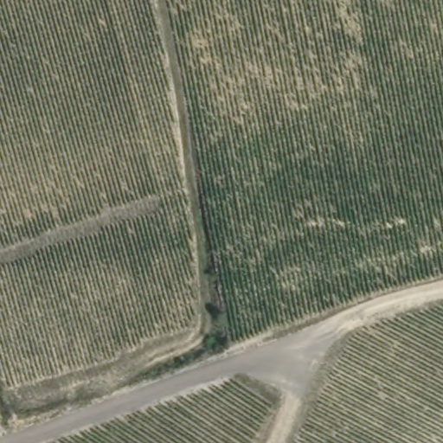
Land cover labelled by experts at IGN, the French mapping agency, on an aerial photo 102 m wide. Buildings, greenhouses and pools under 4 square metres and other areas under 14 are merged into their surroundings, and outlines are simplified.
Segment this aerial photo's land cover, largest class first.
<instances>
[{"label":"vineyard","instance_id":"1","mask_svg":"<svg viewBox=\"0 0 443 443\"><path fill-rule=\"evenodd\" d=\"M443 280V0H0V436L3 434V427L9 426L10 415L29 417L54 408H64L66 405L85 407L93 398L111 395L118 389L128 388L147 379H156L171 370L201 360L202 356L221 353L230 344L256 336L265 331L266 327L273 334L265 337V341H273L286 337L287 334H296L311 325L320 324L351 306L362 305L377 296L398 291L400 287L421 286ZM301 405L286 443H443V299L400 311L393 318H379L376 324L360 325L334 341L322 358V363H318L315 376L308 382L305 395L299 400ZM280 407L279 389L266 386L263 382L244 374H235L230 381L208 391L180 396L177 401H168L164 405L147 408L145 412L128 415L126 421L118 419L107 422L99 427H92L90 431H83L78 436L61 438L55 443H266L277 421Z\"/></svg>","mask_w":443,"mask_h":443},{"label":"pervious surface","instance_id":"2","mask_svg":"<svg viewBox=\"0 0 443 443\"><path fill-rule=\"evenodd\" d=\"M443 299V280L421 286L400 287L398 291L377 296L362 305L351 306L320 324L311 325L296 334H287L286 337L273 341H265V337L273 334L266 327L265 331L256 336L230 344L221 353L202 356L201 360L171 370L156 379H147L128 388L118 389L111 395L93 398L85 407L66 405L64 408H54L29 417L10 415L9 426L3 427V434L0 436V443H55L61 438L78 436L83 431H90L92 427H99L107 422L118 419L126 421L128 415L145 412L147 408L164 405L168 401H177L180 396L208 391L230 381L235 374H244L263 382L266 386L279 389L280 407L277 421L266 443H286L301 405L299 400L305 395L308 382L315 376L318 363H322V358L334 341L360 325L376 324L379 318H393L400 311Z\"/></svg>","mask_w":443,"mask_h":443}]
</instances>
